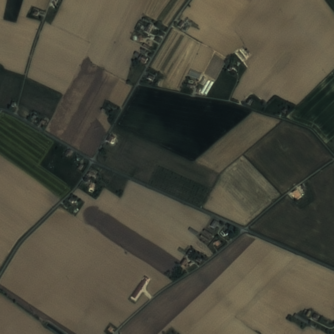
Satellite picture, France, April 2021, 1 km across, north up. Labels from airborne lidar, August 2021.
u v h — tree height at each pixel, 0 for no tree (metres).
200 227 0
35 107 0
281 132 0
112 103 7
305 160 0
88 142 0
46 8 0
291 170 0
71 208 9
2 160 0
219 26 0
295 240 0
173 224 0
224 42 0
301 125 0
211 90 0
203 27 0
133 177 0
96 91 0
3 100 0
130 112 0
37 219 0
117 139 0
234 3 0
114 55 0
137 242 0
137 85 0
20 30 0
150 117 0
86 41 0
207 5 0
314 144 0
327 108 0
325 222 0
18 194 0
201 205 0
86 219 0
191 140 0
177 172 0
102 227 0
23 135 0
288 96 0
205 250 0
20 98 0
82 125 0
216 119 0
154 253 0
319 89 0
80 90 0
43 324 0
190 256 13
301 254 0
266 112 0
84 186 0
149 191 0
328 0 0
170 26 0
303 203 0
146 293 0
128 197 0
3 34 0
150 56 11
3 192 0
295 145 0
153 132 0
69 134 0
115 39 0
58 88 0
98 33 0
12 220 0
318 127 0
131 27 0
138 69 0
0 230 0
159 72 7
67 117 0
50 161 0
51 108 0
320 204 0
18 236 0
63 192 0
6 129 0
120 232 0
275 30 0
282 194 0
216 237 9
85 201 0
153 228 0
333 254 0
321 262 0
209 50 0
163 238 0
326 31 0
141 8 0
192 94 0
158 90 0
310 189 0
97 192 7
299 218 0
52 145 0
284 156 0
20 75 0
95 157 0
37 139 0
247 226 0
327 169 0
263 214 0
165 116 0
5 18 0
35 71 0
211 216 0
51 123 0
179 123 0
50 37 0
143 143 0
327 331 6
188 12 0
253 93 0
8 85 0
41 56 0
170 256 0
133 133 0
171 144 0
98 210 0
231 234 17
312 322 11
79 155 7
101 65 0
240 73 0
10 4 0
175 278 10
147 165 0
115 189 0
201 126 0
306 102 0
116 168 0
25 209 0
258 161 0
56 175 0
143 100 0
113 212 0
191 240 0
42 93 0
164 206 0
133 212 0
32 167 0
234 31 0
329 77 0
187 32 0
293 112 0
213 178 0
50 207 0
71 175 0
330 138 0
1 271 0
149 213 0
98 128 0
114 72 0
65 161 0
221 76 0
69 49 0
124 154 0
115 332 0
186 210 0
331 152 0
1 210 0
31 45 0
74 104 0
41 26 0
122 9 0
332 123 0
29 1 0
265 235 0
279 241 0
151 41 0
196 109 0
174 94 0
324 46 0
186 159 0
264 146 0
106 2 0
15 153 0
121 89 0
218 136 0
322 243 0
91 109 0
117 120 0
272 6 0
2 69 0
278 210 0
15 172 0
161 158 0
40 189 0
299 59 0
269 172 0
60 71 0
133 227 0
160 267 0
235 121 0
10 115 0
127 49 0
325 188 0
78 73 0
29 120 11
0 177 0
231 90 0
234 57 6
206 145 0
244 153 0
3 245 0
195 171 0
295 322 0
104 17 0
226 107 0
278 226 0
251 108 0
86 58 0
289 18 0
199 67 0
